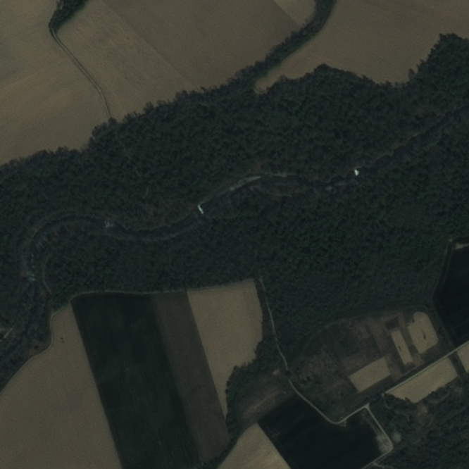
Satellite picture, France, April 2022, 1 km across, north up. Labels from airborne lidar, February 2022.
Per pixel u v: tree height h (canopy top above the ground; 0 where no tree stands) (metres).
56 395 0
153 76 0
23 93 0
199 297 0
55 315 0
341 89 23
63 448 0
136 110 0
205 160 25
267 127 9
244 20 0
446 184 18
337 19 0
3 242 21
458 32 0
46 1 0
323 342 0
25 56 0
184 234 18
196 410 0
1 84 0
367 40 0
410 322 0
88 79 0
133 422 0
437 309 0
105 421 0
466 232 14
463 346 0
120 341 0
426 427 0
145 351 0
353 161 20
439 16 0
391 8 0
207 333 0
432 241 12
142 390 0
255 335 0
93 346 0
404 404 7
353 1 0
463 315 0
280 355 12
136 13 0
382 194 25
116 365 0
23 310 21
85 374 0
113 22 0
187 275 22
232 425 13
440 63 17
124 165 18
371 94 20
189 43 0
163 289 20
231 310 0
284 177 0
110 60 0
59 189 19
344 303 16
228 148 23
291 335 12
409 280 17
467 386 10
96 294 0
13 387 0
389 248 19
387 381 0
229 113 23
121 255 23
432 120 19
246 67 0
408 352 0
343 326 0
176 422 0
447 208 18
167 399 0
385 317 0
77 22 0
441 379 0
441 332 12
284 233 14
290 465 0
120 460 0
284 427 0
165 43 0
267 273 11
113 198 13
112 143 24
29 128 0
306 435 0
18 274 21
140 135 19
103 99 0
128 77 0
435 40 0
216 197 0
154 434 0
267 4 0
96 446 0
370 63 0
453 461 5
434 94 19
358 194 10
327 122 29
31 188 22
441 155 25
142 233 0
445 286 0
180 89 0
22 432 0
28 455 0
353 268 13
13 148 0
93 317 0
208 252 26
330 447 0
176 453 0
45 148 0
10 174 24
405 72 0
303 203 24
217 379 0
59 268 21
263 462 0
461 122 23
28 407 0
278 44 0
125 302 0
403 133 19
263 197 22
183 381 0
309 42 0
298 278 21
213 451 0
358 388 0
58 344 0
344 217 10
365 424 0
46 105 0
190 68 0
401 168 12
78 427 0
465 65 13
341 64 0
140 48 0
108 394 0
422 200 10
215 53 0
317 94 17
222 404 0
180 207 17
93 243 26
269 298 15
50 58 0
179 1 0
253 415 0
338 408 0
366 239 20
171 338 0
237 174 15
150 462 0
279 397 0
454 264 0
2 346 22
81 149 0
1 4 0
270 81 0
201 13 0
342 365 0
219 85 0
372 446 0
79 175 24
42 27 0
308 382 9
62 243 19
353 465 0
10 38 0
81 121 0
